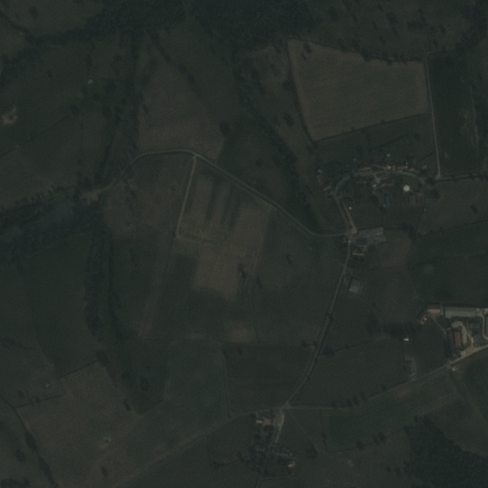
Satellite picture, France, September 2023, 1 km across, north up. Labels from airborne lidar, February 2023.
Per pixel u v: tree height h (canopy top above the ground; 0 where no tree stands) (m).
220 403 0
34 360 0
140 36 14
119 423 0
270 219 0
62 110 0
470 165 0
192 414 0
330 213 0
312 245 0
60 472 0
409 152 0
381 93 0
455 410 0
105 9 9
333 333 0
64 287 0
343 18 0
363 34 0
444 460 7
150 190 0
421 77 0
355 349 0
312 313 0
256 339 0
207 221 0
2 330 0
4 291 0
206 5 19
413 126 0
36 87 0
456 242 0
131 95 0
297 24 17
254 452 12
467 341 0
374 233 0
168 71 0
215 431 0
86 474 0
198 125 0
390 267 0
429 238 0
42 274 0
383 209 9
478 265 0
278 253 0
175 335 0
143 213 0
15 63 15
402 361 0
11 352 0
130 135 0
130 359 0
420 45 0
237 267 0
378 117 0
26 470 0
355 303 0
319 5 0
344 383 0
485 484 19
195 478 0
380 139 0
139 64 0
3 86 10
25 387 0
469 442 0
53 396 0
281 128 0
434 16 0
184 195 0
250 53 0
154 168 0
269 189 0
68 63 0
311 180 0
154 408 0
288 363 0
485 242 0
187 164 0
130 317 0
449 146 0
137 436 0
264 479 0
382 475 0
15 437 0
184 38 0
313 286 0
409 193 0
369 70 0
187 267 0
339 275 0
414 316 0
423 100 0
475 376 0
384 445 0
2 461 0
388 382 0
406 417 0
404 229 11
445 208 0
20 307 0
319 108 0
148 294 0
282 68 0
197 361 0
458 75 0
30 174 0
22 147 0
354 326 0
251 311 0
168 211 0
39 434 0
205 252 0
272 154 0
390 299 0
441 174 0
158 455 0
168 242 0
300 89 0
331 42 0
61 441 0
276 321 0
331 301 0
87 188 19
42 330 0
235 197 0
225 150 0
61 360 0
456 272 0
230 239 0
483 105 10
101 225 21
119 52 0
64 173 0
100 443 0
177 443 0
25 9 0
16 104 0
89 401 0
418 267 0
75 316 0
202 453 0
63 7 0
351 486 0
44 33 0
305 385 0
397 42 0
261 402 0
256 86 0
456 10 0
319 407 0
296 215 0
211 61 0
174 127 0
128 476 0
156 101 0
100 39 12
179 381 0
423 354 0
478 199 0
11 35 0
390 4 0
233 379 0
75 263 0
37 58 15
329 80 0
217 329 0
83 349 0
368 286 0
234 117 0
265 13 18
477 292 0
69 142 0
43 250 0
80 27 0
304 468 0
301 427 0
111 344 0
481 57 0
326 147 0
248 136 0
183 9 22
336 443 0
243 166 0
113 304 11
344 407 0
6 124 0
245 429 0
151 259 0
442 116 0
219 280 0
